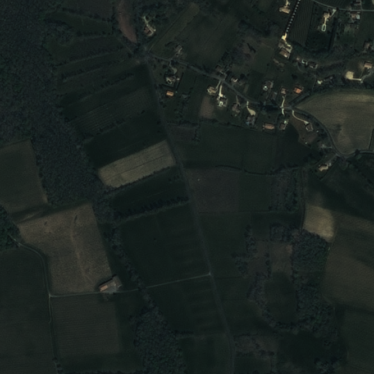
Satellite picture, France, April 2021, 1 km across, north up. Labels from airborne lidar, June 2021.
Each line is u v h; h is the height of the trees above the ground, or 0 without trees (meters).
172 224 0
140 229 0
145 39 14
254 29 18
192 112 0
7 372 0
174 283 0
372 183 13
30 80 27
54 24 18
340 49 14
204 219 0
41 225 0
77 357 0
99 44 0
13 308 0
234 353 0
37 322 0
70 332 0
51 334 0
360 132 0
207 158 0
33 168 0
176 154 0
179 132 0
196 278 0
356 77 0
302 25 0
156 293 0
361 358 0
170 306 0
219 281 0
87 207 0
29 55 31
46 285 0
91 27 0
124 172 0
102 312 0
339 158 8
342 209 0
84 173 26
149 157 0
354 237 0
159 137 0
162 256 0
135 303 0
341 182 0
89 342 0
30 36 27
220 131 0
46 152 25
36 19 25
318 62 21
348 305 0
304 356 0
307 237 22
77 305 0
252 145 0
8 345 0
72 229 0
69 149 32
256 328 0
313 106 0
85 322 0
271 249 0
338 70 23
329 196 0
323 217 0
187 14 0
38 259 0
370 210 0
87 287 0
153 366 20
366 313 0
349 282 0
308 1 0
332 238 0
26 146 0
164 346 24
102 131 13
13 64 26
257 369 0
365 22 0
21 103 22
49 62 28
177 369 26
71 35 19
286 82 0
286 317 0
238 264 12
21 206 0
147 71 0
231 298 0
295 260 23
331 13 13
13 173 0
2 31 24
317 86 6
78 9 0
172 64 9
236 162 0
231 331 0
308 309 20
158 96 0
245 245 0
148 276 0
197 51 0
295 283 19
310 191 0
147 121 0
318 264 22
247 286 0
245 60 22
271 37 19
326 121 0
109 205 17
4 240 27
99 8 0
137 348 21
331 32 9
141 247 0
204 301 0
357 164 0
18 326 0
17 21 22
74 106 0
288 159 0
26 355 0
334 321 0
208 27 0
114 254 0
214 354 0
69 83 0
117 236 19
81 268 0
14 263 0
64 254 0
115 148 0
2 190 0
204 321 0
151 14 17
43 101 26
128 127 0
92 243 0
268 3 0
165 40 0
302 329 9
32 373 0
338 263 0
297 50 20
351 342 0
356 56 16
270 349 0
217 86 0
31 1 30
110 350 0
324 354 0
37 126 25
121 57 0
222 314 0
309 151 0
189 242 0
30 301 0
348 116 0
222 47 0
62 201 19
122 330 0
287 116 11
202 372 0
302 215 0
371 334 0
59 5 11
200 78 0
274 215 0
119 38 21
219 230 0
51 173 23
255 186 0
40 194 0
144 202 0
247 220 0
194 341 0
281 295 0
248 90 0
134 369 0
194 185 0
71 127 20
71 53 0
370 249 0
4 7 21
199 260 0
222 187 0
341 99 0
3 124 15
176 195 0
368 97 0
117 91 0
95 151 0
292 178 8
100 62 0
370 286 0
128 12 0
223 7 0
